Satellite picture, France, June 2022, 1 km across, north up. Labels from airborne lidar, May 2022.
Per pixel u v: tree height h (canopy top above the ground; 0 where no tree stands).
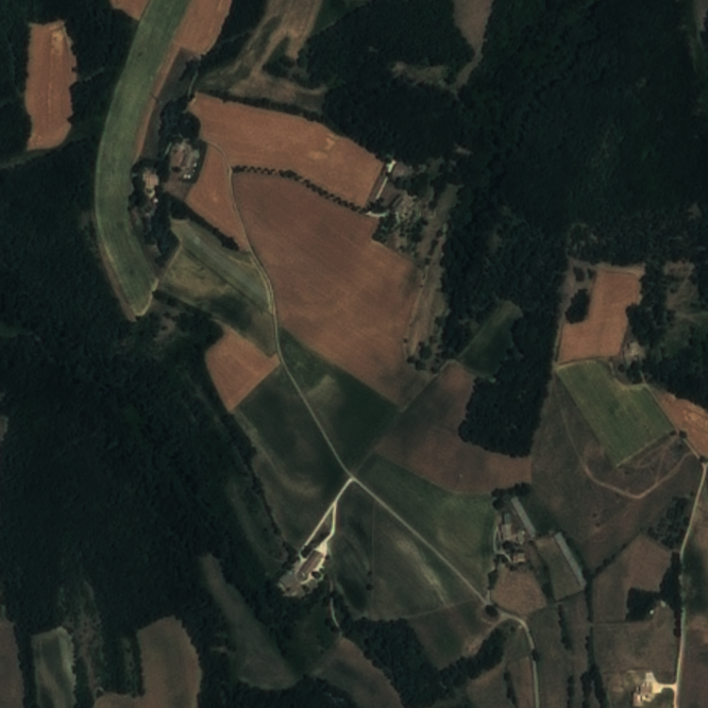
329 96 8
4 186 14
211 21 0
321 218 0
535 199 18
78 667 6
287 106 6
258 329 0
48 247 11
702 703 0
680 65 17
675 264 19
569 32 14
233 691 6
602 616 0
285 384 0
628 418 0
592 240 9
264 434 0
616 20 21
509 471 0
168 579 19
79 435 14
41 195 12
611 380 0
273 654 0
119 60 9
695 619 0
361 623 9
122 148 0
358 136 16
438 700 14
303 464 0
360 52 21
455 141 21
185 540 27
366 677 0
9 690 0
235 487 0
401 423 0
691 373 12
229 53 11
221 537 19
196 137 11
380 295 0
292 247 0
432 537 0
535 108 22
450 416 0
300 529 0
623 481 0
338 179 0
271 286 0
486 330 0
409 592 0
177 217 11
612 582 0
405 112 22
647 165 12
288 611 15
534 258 15
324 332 0
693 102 19
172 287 0
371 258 0
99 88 14
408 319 0
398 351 0
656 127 13
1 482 10
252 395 0
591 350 0
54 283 13
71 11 19
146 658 0
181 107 11
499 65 11
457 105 14
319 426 0
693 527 0
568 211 12
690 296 0
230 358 0
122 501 14
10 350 24
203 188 0
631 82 14
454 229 14
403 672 7
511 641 0
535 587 0
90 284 14
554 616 0
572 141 15
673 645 0
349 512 0
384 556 0
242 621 0
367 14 16
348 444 0
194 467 16
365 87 27
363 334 0
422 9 14
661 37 12
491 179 10
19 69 10
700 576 0
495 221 20
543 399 14
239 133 0
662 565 0
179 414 16
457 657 0
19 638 8
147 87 0
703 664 0
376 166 0
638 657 0
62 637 0
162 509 20
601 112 17
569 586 0
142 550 14
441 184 12
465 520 0
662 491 0
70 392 23
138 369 12
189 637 10
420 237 9
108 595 13
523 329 17
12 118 11
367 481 0
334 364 0
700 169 19
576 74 15
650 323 16
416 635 8
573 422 0
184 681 0
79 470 16
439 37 13
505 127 23
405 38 16
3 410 16
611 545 0
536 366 16
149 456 25
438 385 0
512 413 13
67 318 12
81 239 11
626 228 15
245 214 0
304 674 0
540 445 0
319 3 0
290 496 0
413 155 12
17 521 11
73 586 6
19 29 11
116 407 31
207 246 0
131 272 0
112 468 16
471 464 0
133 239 0
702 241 23
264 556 0
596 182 6
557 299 13
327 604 12
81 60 12
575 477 0
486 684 0
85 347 14
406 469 0
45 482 16
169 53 0
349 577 0
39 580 15
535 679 0
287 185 0
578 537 0
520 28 9
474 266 27
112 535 15
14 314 23
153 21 0
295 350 0
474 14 0
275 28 0
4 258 14
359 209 6
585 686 11
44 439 12
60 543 9
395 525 0
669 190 15
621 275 0
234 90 0
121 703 0
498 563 7
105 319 9
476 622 0
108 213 0
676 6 19
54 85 0
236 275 0
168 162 10
